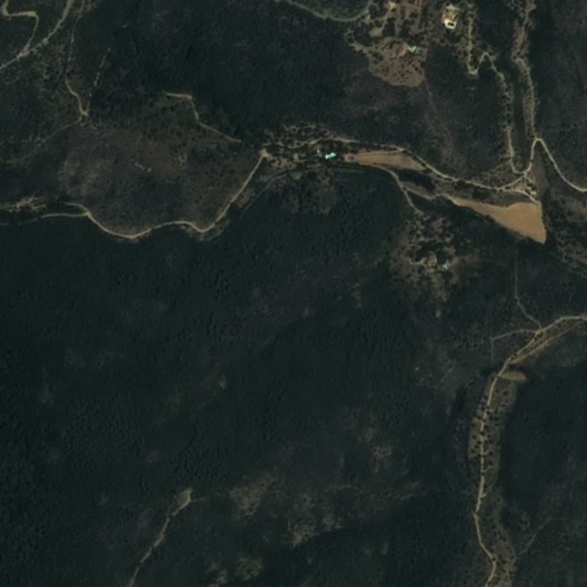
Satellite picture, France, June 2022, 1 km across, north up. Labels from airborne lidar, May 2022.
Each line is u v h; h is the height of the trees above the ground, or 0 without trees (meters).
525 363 0
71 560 8
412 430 11
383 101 0
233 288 6
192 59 17
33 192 8
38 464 14
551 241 6
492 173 6
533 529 6
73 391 5
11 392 13
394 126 5
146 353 7
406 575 7
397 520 7
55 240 6
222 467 14
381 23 8
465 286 6
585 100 0
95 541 7
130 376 11
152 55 7
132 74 12
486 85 6
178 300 8
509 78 8
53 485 7
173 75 6
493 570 0
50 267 8
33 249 7
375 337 7
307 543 10
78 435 13
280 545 6
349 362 6
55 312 6
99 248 10
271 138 10
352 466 8
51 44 9
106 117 7
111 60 10
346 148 7
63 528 7
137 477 7
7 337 9
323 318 6
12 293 9
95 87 8
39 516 16
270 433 9
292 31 11
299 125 9
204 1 7
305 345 7
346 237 11
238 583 6
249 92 8
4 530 16
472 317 6
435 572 9
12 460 11
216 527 6
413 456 6
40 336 15
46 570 8
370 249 6
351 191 13
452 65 8
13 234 7
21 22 6
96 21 5
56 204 9
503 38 8
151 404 47
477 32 8
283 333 7
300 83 9
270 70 8
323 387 6
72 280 8
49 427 7
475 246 8
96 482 5
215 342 7
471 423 5
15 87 6
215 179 6
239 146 8
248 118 10
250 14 6
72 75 14
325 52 8
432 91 6
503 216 0
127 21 9
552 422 6
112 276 7
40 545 13
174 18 9
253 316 6
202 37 11
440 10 10
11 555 16
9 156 9
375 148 11
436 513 7
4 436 19
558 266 6
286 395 8
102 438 16
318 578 9
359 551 7
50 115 7
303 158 6
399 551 7
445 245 10
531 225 0
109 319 6
